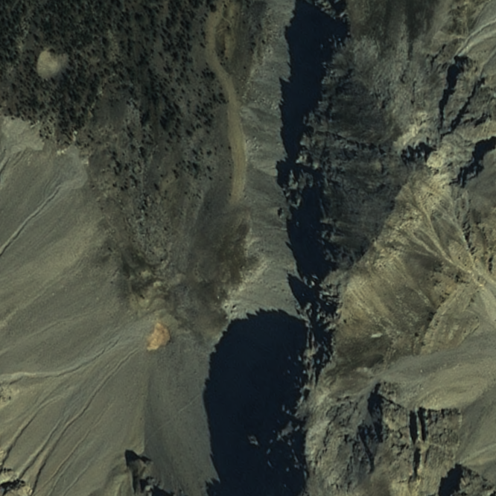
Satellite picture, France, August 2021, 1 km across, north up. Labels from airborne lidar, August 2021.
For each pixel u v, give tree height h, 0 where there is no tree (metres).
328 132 0
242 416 0
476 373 0
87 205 0
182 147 0
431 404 0
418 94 0
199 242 0
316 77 0
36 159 0
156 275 0
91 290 0
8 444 0
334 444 0
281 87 0
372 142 0
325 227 0
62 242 0
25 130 0
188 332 0
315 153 0
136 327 0
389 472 0
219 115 0
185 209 0
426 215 0
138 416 0
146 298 0
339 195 0
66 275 0
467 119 0
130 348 0
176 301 0
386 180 0
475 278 0
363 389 0
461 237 0
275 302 0
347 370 0
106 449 0
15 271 0
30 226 0
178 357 0
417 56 0
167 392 0
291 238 0
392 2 0
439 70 0
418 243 0
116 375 0
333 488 0
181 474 0
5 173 0
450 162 0
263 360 0
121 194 0
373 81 0
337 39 0
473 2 0
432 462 0
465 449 0
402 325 0
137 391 0
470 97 0
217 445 0
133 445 0
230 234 0
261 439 0
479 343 0
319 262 0
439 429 0
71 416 0
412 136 0
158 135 0
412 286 0
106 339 0
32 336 0
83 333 0
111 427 0
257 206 0
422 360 0
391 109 0
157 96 8
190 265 0
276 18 0
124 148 0
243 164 0
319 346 0
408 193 0
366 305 0
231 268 0
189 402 0
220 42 0
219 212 0
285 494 0
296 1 0
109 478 0
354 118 0
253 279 0
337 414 0
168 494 0
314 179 0
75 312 0
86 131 0
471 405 0
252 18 0
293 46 0
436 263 0
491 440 0
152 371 0
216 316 0
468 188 0
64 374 0
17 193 0
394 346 0
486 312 0
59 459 0
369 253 0
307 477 0
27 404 0
